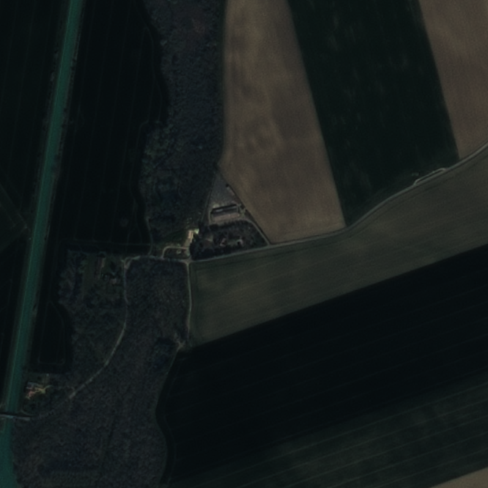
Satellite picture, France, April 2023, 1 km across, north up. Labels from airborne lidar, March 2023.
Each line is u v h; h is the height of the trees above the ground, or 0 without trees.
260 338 0
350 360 0
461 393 0
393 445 0
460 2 0
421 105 0
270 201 0
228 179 0
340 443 0
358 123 0
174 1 11
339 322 0
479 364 0
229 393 0
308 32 0
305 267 0
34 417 0
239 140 0
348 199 0
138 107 0
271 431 0
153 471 15
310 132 0
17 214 0
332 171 0
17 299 0
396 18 0
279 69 0
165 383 0
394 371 0
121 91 0
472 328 0
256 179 0
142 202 0
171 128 17
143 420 7
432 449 0
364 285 0
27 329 0
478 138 0
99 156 0
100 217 0
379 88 0
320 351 0
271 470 0
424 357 0
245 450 0
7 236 0
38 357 0
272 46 0
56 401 16
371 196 0
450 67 0
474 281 0
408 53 0
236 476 0
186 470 0
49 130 0
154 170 19
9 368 0
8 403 0
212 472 0
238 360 0
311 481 0
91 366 13
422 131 0
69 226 0
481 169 0
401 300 0
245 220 0
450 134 0
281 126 0
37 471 26
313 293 0
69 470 26
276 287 0
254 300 0
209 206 0
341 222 0
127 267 0
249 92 0
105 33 0
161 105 0
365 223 0
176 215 11
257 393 0
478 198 0
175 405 0
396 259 0
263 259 0
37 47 0
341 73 0
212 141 17
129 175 0
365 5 0
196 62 6
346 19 0
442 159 0
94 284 0
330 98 0
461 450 0
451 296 0
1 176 0
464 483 0
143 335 15
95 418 7
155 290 33
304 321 0
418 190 0
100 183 0
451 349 0
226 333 0
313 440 0
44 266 0
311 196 0
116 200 0
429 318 0
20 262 0
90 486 27
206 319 0
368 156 0
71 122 6
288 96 0
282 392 0
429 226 0
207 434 0
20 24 0
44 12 0
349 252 0
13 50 0
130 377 17
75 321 13
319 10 0
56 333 0
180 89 9
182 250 0
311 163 0
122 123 0
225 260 0
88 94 0
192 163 21
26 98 0
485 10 0
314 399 0
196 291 0
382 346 0
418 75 0
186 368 0
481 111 0
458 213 0
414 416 0
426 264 0
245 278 0
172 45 6
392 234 0
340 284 0
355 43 0
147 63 0
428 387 0
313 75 0
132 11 0
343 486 0
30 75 0
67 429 8
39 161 5
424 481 0
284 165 0
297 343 0
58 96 0
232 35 0
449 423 0
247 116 0
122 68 0
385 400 0
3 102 0
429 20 0
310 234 0
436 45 0
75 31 0
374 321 0
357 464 0
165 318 30
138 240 0
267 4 0
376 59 0
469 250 0
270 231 0
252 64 0
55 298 0
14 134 0
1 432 0
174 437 0
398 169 0
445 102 0
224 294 0
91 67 0
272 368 0
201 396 0
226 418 0
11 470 0
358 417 0
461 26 0
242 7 0
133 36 0
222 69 0
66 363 0
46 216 0
